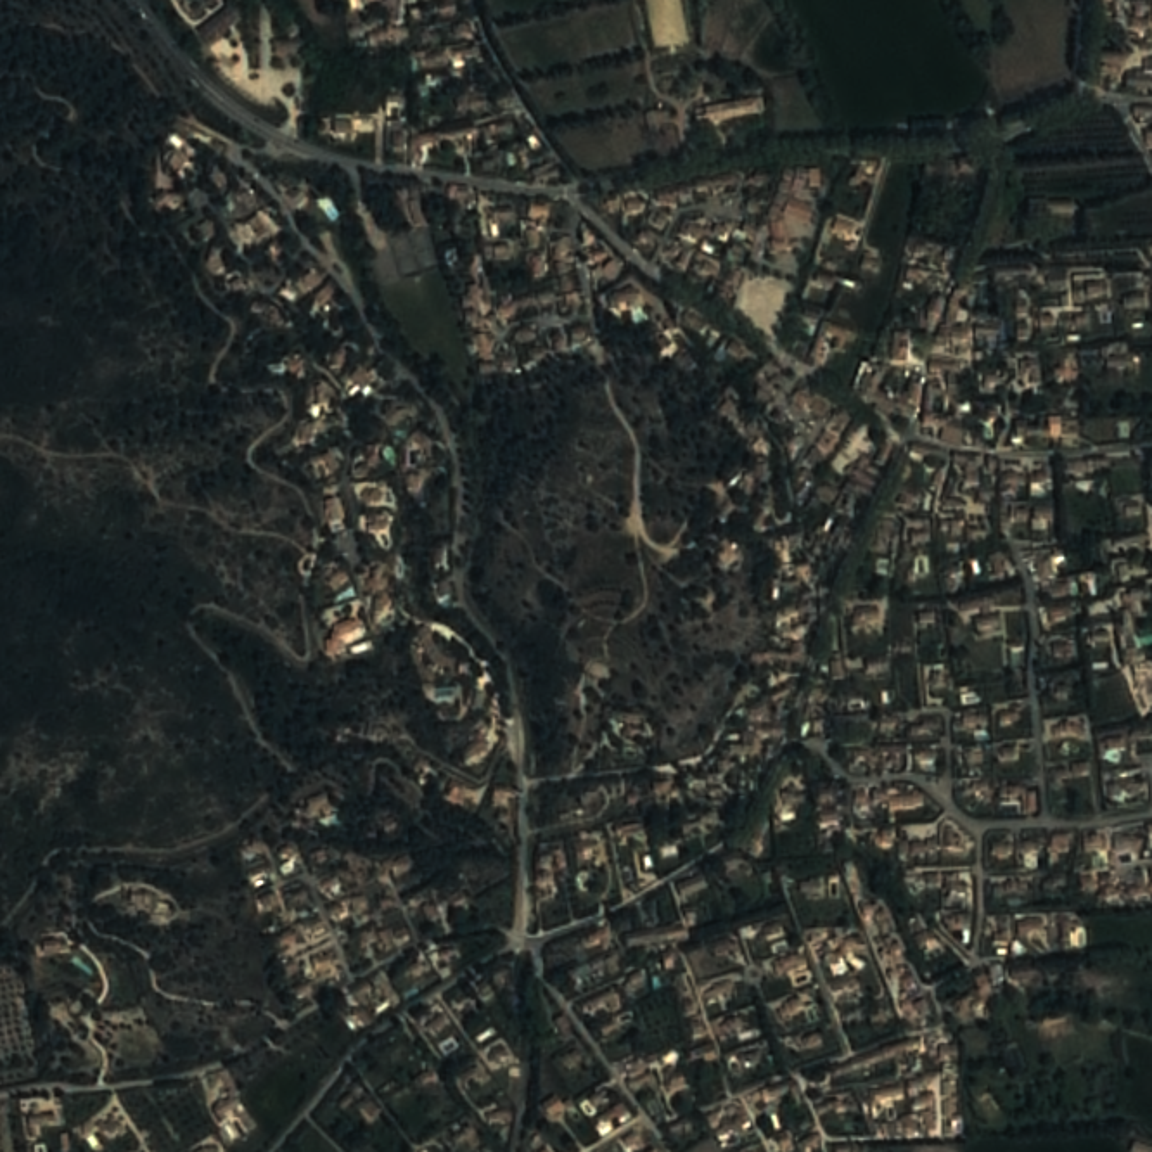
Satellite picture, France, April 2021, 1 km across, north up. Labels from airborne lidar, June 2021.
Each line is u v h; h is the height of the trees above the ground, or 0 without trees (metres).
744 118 10
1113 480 6
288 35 7
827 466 12
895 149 24
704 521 10
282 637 0
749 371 9
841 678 6
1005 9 9
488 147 9
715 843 9
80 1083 11
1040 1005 16
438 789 14
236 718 0
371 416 11
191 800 0
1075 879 8
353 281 0
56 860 9
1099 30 20
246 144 8
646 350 11
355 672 13
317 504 0
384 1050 7
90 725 0
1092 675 14
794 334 8
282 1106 0
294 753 9
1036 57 0
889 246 0
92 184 11
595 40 0
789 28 21
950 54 0
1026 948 0
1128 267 7
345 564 11
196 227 9
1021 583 11
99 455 0
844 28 0
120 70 13
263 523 0
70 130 17
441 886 18
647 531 0
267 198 13
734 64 9
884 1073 6
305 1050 0
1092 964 12
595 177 8
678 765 11
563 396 12
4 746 0
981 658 0
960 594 7
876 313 0
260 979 0
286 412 8
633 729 0
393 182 12
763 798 15
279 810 10
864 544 22
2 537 6
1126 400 12
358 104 0
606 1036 6
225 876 0
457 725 6
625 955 6
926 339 15
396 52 7
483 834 16
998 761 6
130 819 0
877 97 0
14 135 10
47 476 0
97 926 5
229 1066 11
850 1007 8
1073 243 11
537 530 0
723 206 0
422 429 8
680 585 0
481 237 7
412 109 15
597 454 0
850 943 0
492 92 9
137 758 0
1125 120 6
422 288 0
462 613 7
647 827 9
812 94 7
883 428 16
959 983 14
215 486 7
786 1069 9
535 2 0
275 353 7
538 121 14
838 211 11
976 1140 10
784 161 18
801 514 9
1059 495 11
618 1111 0
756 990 8
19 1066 7
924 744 6
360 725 6
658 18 0
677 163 16
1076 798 15
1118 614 12
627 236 13
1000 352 6
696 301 18
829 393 20
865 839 6
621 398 0
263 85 0
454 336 0
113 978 0
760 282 0
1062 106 25
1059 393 13
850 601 13
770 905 6
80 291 0
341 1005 21
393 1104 12
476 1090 11
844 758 13
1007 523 0
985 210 23
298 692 10
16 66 11
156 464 0
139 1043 0
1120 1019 12
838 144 22
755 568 8
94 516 0
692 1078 8
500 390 11
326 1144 0
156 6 7
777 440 6
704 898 11
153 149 12
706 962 0
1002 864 6
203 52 8
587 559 0
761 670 6
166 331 0
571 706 0
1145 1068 0
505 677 9
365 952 6
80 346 0
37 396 0
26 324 0
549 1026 16
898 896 12
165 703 0
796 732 13
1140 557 11
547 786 9
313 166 8
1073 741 0
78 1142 10
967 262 19
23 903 0
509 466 10
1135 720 7
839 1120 9
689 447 7
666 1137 6
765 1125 10
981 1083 9
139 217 10
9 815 0
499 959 9
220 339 10
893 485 19
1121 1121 10
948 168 21
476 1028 14
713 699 0
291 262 13
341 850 13
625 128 0
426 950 10
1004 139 21
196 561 0
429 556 10
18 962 12
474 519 11
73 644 0
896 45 0
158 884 12
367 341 15
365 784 0
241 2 9
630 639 0
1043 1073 6
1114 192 6
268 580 0
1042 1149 0
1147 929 0
